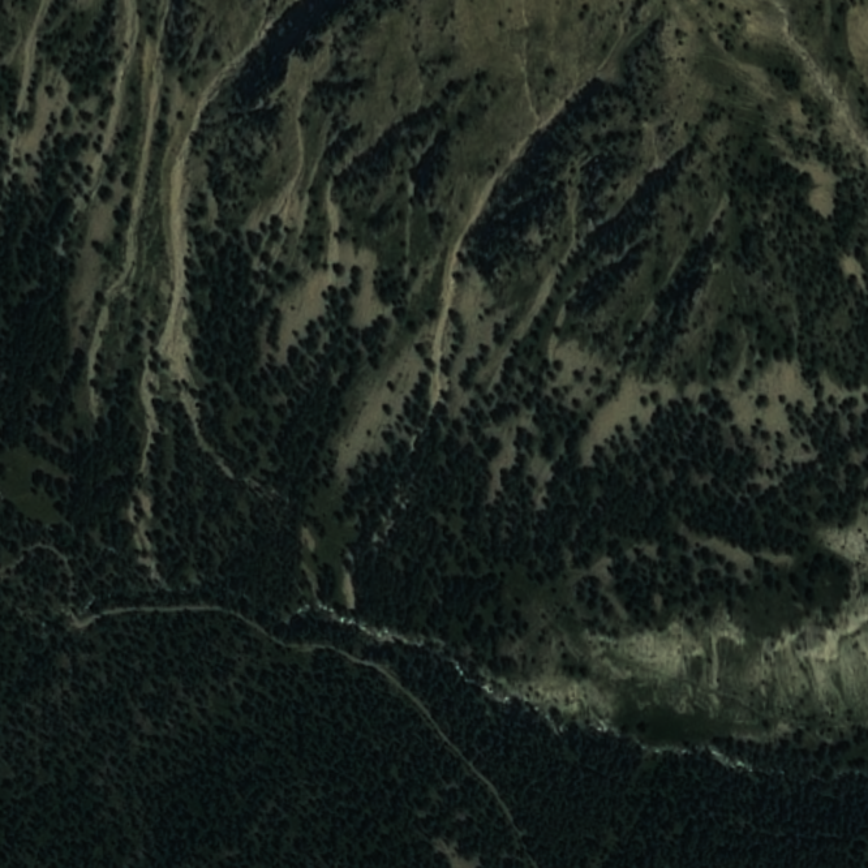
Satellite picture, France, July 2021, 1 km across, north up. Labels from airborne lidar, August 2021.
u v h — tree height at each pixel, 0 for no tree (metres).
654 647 0
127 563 18
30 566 16
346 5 15
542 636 9
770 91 0
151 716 23
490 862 26
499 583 14
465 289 0
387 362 0
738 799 20
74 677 14
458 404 0
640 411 0
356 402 0
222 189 7
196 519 23
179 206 0
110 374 0
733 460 20
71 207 20
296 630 14
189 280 9
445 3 0
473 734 22
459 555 25
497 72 0
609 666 0
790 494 17
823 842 24
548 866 27
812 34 0
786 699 0
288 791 14
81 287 0
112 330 0
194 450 23
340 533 0
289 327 0
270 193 0
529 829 27
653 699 0
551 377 18
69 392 24
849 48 0
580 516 27
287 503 24
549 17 0
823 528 0
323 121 0
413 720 22
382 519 20
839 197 9
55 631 18
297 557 27
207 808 19
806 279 8
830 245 13
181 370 0
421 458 21
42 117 0
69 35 16
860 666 0
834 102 0
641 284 0
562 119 0
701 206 0
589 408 0
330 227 0
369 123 0
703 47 0
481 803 27
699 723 0
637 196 0
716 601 0
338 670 10
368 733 22
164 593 18
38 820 14
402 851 23
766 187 15
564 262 0
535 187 11
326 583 28
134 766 18
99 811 17
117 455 22
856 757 0
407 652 29
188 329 0
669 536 23
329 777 21
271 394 16
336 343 20
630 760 21
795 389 0
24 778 20
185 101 0
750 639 0
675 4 0
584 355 0
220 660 14
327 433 21
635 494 23
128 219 15
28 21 0
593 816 25
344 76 12
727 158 10
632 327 10
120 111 0
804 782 21
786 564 0
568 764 21
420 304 0
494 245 9
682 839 9
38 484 20
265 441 25
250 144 12
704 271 12
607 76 0
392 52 0
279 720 16
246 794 17
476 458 28
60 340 19
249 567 31
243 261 22
